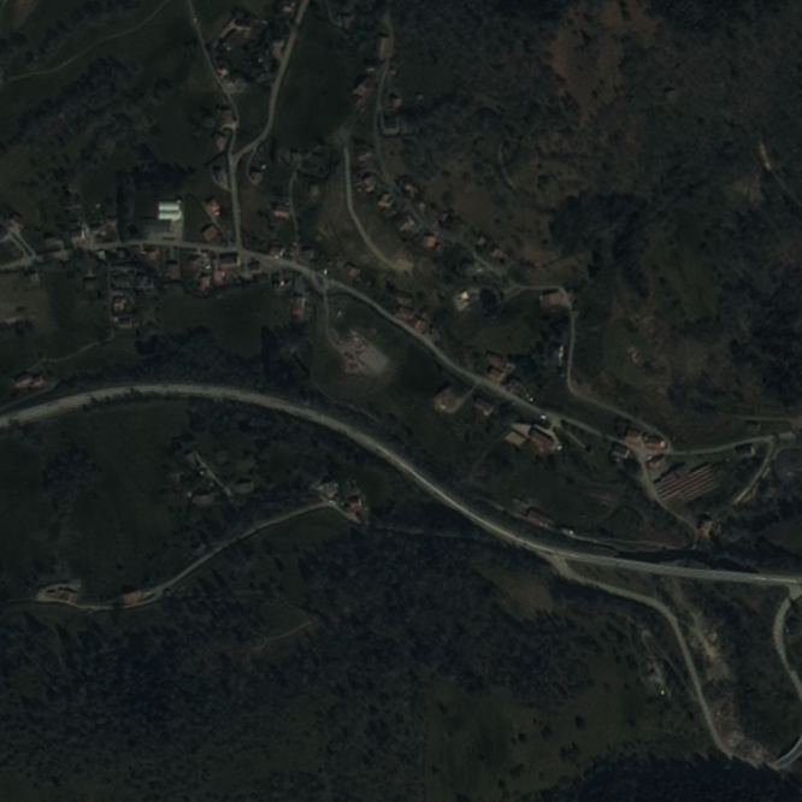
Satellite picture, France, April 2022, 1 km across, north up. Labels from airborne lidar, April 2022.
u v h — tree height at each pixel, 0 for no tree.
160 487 0
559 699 17
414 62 0
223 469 6
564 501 0
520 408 0
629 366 0
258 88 0
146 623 0
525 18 8
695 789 28
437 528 24
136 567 0
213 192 0
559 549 0
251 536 0
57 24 0
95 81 20
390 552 19
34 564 0
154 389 0
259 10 0
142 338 7
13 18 0
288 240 0
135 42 0
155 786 8
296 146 0
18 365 0
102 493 0
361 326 0
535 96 7
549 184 16
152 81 0
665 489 0
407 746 18
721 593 9
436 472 11
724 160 35
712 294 0
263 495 7
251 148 0
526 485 0
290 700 7
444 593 18
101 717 18
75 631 0
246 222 0
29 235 0
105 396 0
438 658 14
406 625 17
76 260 17
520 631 22
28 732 8
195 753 14
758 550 0
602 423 0
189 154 0
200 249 0
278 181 0
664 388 0
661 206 13
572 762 18
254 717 12
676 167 28
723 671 0
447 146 14
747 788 28
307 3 0
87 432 0
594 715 0
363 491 0
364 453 12
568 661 24
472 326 0
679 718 13
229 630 8
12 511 0
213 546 19
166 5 0
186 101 0
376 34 7
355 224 0
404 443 14
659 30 6
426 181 10
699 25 22
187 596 0
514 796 8
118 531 0
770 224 21
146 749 7
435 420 0
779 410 0
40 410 0
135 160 0
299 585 0
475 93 14
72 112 12
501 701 0
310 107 0
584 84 0
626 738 0
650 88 19
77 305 0
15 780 0
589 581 0
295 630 0
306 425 13
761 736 13
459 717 0
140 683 24
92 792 0
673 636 0
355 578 9
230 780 0
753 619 22
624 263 14
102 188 0
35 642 7
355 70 0
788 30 19
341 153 0
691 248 0
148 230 0
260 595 0
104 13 23
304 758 0
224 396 0
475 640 23
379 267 0
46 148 14
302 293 0
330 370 0
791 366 18
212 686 10
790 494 14
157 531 0
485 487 0
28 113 0
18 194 0
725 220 24
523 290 0
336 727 12
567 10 8
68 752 6
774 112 21
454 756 0
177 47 0
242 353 0
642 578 0
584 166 12
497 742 0
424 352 0
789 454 0
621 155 24
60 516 18
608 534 10
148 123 14
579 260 6
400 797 6
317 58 0
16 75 0
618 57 0
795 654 10
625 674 0
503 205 9
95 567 0
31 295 0
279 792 8
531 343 0
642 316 0
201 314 0
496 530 0
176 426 0
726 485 0
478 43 17
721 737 0
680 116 18
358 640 10
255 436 17
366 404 0
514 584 0
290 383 33
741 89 12
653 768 12
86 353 0
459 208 0
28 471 0
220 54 7
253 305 0
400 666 15
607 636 9
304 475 7
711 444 0
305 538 0
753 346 17
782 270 19
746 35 8
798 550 0
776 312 24
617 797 29
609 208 24
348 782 11
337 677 10
